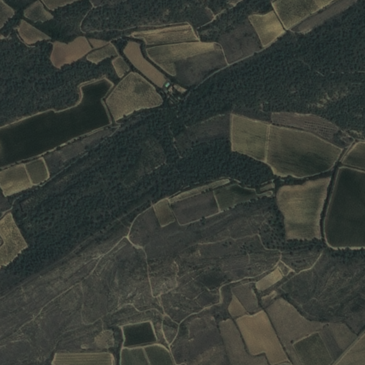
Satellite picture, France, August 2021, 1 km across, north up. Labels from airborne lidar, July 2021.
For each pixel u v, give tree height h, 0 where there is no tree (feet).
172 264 0
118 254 0
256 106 22
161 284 0
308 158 0
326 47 30
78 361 0
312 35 20
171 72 0
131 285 0
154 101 0
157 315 0
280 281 0
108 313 0
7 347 0
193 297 0
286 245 39
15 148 0
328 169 0
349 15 26
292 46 26
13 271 43
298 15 0
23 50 22
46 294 0
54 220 42
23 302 0
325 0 0
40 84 38
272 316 0
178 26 0
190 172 24
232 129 0
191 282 0
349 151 0
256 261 0
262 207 0
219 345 0
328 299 0
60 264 0
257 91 30
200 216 0
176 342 0
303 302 0
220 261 0
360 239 0
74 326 0
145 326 0
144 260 0
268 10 35
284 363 0
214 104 33
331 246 0
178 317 0
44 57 34
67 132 0
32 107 32
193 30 0
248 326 0
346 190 0
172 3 28
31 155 0
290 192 0
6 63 24
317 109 22
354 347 0
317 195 0
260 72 33
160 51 0
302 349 0
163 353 0
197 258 0
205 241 0
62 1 0
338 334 0
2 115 35
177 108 26
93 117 0
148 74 0
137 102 0
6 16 0
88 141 0
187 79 0
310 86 32
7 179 0
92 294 0
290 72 34
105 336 0
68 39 33
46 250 36
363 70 26
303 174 0
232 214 0
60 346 0
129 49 0
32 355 0
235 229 0
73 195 43
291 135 0
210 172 39
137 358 0
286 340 0
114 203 28
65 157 0
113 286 0
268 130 0
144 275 0
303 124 0
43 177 0
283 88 25
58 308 0
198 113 30
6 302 0
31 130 0
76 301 0
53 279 0
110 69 19
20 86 25
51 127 0
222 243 0
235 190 0
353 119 27
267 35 0
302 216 0
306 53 24
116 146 35
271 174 20
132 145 31
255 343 0
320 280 0
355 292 0
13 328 0
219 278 0
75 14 33
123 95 0
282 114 0
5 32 20
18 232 0
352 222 0
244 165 47
